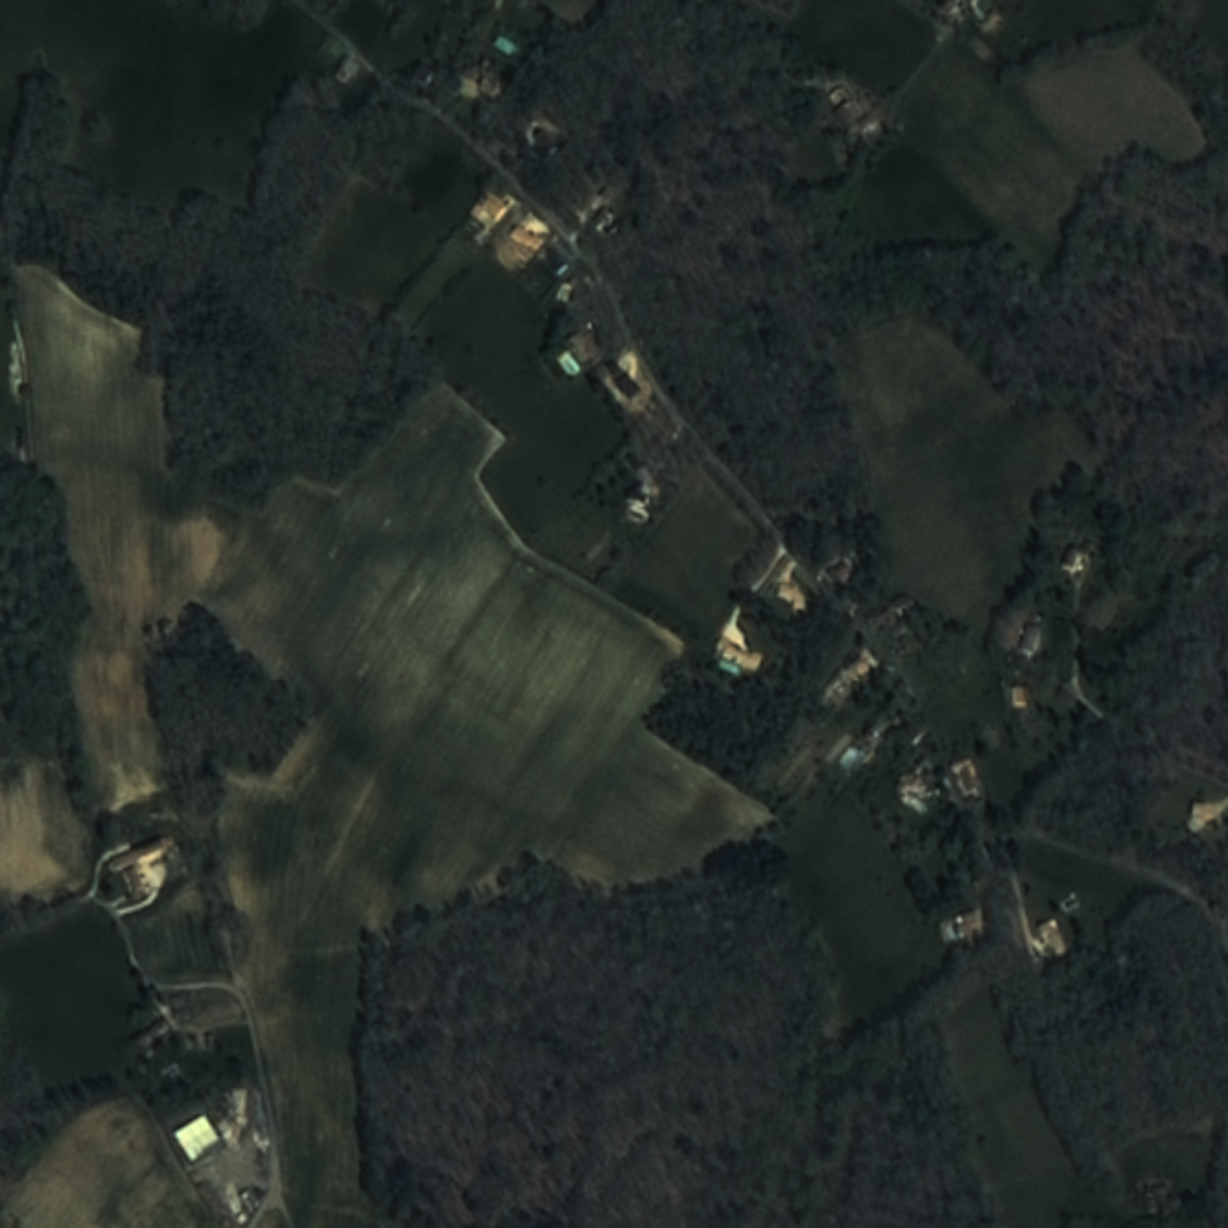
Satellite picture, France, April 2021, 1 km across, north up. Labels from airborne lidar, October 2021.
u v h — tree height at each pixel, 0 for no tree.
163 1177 0
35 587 26
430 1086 19
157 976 0
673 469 15
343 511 0
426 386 23
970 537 0
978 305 18
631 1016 21
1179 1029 23
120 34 0
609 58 19
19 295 12
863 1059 25
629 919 15
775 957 19
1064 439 0
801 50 10
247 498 20
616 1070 13
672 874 0
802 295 22
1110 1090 15
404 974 13
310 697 0
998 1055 0
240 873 0
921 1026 26
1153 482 11
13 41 0
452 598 0
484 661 0
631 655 0
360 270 0
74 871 0
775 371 17
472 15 13
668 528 0
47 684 23
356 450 23
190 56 0
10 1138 18
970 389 0
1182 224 19
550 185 20
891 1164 14
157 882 0
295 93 18
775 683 18
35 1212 0
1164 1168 0
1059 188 0
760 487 10
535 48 12
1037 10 0
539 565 0
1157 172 19
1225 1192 21
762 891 23
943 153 0
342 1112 0
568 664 0
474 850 0
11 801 0
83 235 11
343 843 0
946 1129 24
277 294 20
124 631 0
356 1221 0
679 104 18
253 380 23
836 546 19
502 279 0
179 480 13
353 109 0
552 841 0
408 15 12
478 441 0
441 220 0
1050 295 18
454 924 19
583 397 0
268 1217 0
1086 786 16
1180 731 16
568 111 23
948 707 0
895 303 28
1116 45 16
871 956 0
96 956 0
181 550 0
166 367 17
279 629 0
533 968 12
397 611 0
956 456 0
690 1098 18
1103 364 11
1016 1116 0
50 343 0
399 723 0
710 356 20
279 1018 0
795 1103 27
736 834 0
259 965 0
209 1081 15
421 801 0
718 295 19
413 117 17
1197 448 7
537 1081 10
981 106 0
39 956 0
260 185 18
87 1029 0
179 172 0
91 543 0
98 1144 0
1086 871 0
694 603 0
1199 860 19
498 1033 19
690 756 13
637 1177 19
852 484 12
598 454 0
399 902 0
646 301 22
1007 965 20
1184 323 14
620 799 0
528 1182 14
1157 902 19
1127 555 24
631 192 16
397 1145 19
